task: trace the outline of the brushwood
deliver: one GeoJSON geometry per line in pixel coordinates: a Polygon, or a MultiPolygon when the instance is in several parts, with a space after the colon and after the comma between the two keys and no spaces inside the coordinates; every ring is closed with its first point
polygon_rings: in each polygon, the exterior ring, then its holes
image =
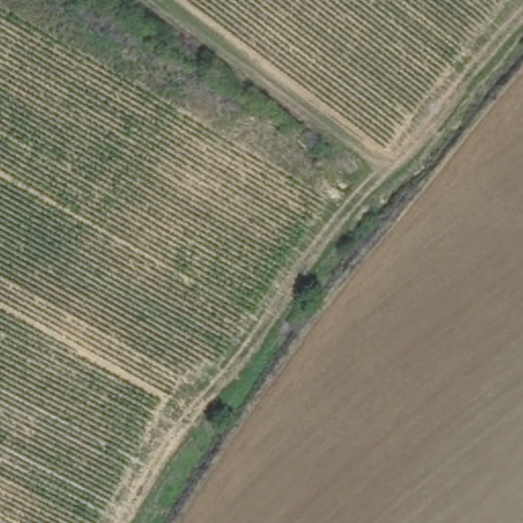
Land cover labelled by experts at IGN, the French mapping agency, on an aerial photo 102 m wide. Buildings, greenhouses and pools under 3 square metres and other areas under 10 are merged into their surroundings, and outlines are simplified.
{"type": "Polygon", "coordinates": [[[84,4],[86,10],[98,12],[114,20],[114,25],[125,29],[133,39],[153,43],[153,51],[157,57],[172,57],[176,61],[194,65],[192,72],[198,76],[198,82],[208,82],[215,92],[231,100],[237,100],[247,114],[257,116],[262,121],[274,121],[274,129],[288,135],[300,131],[308,147],[306,155],[319,161],[327,159],[329,147],[323,145],[327,137],[319,129],[306,127],[304,121],[294,116],[264,86],[255,84],[253,80],[237,78],[235,69],[215,53],[215,49],[200,45],[196,53],[186,51],[178,37],[178,31],[137,0],[63,0],[63,6],[84,4]]]}
{"type": "Polygon", "coordinates": [[[343,272],[349,270],[351,259],[360,253],[355,251],[355,245],[362,243],[362,239],[368,233],[378,231],[382,227],[382,225],[378,219],[364,217],[355,225],[349,221],[345,223],[341,235],[325,247],[325,251],[315,262],[311,272],[317,276],[319,282],[325,294],[335,286],[335,280],[343,272]]]}

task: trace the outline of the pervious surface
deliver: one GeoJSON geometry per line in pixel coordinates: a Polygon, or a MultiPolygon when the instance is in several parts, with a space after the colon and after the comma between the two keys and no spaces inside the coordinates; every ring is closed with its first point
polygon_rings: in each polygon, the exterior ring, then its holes
{"type": "Polygon", "coordinates": [[[139,437],[151,454],[145,466],[141,468],[139,478],[133,480],[125,501],[110,501],[102,509],[96,523],[131,523],[141,503],[147,498],[151,486],[155,484],[161,468],[176,451],[184,435],[196,427],[198,419],[204,415],[204,409],[221,394],[221,390],[239,378],[241,370],[259,351],[276,319],[284,315],[292,302],[294,290],[298,274],[311,272],[315,262],[325,251],[325,247],[341,235],[345,223],[349,221],[355,225],[364,217],[368,212],[366,198],[441,127],[443,118],[456,106],[458,98],[464,94],[468,82],[498,53],[498,49],[509,41],[509,37],[523,25],[523,0],[496,0],[486,10],[480,22],[466,29],[464,41],[456,41],[456,45],[460,47],[460,51],[456,53],[456,67],[445,65],[441,69],[441,74],[421,96],[421,100],[415,102],[415,106],[411,106],[411,110],[402,116],[398,125],[394,125],[390,141],[386,145],[378,145],[368,137],[362,143],[366,147],[362,157],[372,165],[370,174],[358,182],[351,194],[343,192],[339,194],[339,198],[333,200],[337,204],[335,212],[311,239],[306,249],[294,247],[290,255],[286,255],[286,268],[282,268],[276,274],[272,288],[262,296],[257,308],[253,313],[245,311],[241,315],[239,331],[233,331],[229,335],[229,341],[235,343],[237,349],[231,358],[215,355],[210,360],[210,366],[200,376],[202,382],[208,382],[206,388],[200,390],[190,402],[182,398],[178,402],[178,409],[170,409],[165,400],[157,400],[139,437]]]}

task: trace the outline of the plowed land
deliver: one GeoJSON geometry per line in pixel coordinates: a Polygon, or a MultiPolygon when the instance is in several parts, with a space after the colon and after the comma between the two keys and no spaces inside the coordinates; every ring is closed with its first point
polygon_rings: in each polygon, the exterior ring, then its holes
{"type": "Polygon", "coordinates": [[[180,515],[172,523],[523,523],[523,65],[496,92],[496,98],[480,110],[480,114],[460,137],[460,141],[447,151],[447,155],[433,170],[433,174],[425,182],[421,182],[415,196],[400,208],[396,219],[382,225],[382,227],[384,235],[366,253],[364,264],[355,270],[349,270],[343,272],[335,280],[335,286],[325,294],[323,308],[317,315],[313,315],[288,347],[286,355],[278,360],[274,372],[268,374],[255,396],[249,400],[243,415],[231,429],[219,454],[210,460],[208,470],[196,482],[192,494],[188,496],[188,501],[180,509],[180,515]]]}

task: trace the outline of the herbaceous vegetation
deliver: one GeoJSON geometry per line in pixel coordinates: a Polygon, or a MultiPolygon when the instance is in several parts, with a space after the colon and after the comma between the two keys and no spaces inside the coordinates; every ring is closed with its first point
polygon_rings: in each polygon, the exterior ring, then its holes
{"type": "Polygon", "coordinates": [[[69,49],[69,57],[76,57],[78,49],[84,49],[88,53],[94,53],[96,57],[108,59],[108,65],[118,78],[114,84],[118,88],[129,90],[133,86],[133,80],[145,80],[149,86],[147,94],[161,90],[161,96],[168,98],[178,98],[180,90],[184,88],[186,98],[182,106],[202,112],[202,116],[210,118],[210,123],[223,129],[233,127],[237,118],[247,114],[237,100],[231,100],[215,92],[208,82],[198,82],[198,76],[192,72],[194,65],[176,61],[172,57],[157,57],[153,51],[153,43],[133,39],[125,29],[114,25],[114,20],[98,12],[86,10],[84,4],[63,6],[63,0],[0,0],[0,8],[8,10],[6,20],[10,25],[27,33],[41,33],[45,45],[61,45],[63,49],[69,49]]]}
{"type": "Polygon", "coordinates": [[[151,486],[147,498],[141,503],[131,523],[172,523],[180,515],[180,509],[188,501],[188,496],[192,494],[196,482],[208,470],[210,460],[219,454],[231,429],[217,433],[210,419],[215,419],[215,415],[223,411],[225,402],[243,405],[245,398],[249,400],[255,396],[268,374],[274,372],[278,360],[286,355],[288,347],[313,315],[292,325],[286,321],[284,315],[276,319],[259,351],[241,370],[239,378],[221,390],[221,394],[204,409],[204,415],[198,419],[196,427],[184,435],[176,451],[161,468],[155,484],[151,486]]]}
{"type": "Polygon", "coordinates": [[[509,37],[509,41],[498,49],[498,53],[468,82],[464,94],[458,98],[456,106],[443,118],[441,127],[366,198],[368,212],[364,217],[378,219],[382,225],[396,219],[400,208],[415,196],[421,182],[425,182],[433,174],[433,170],[447,155],[447,151],[460,141],[460,137],[480,114],[480,110],[496,98],[496,92],[523,65],[523,25],[509,37]]]}
{"type": "Polygon", "coordinates": [[[368,233],[362,239],[362,243],[355,245],[355,251],[360,253],[351,259],[349,270],[355,270],[364,264],[366,253],[384,235],[382,227],[378,231],[368,233]]]}
{"type": "Polygon", "coordinates": [[[215,53],[235,69],[237,78],[253,80],[255,84],[264,86],[294,116],[304,121],[306,127],[319,129],[327,137],[323,145],[329,147],[327,159],[319,161],[306,155],[308,147],[300,131],[288,135],[274,129],[259,131],[257,141],[251,145],[251,149],[259,149],[262,153],[270,155],[270,159],[274,159],[280,168],[284,168],[288,172],[286,180],[296,176],[304,176],[304,184],[319,184],[323,180],[333,184],[337,180],[343,180],[343,192],[351,194],[358,182],[370,174],[372,165],[362,157],[366,147],[362,143],[345,129],[341,129],[333,118],[325,116],[313,104],[302,100],[298,94],[288,90],[259,65],[255,65],[245,53],[235,49],[219,33],[208,29],[204,22],[200,22],[174,0],[137,0],[178,31],[178,37],[186,51],[196,53],[200,45],[215,49],[215,53]]]}
{"type": "Polygon", "coordinates": [[[302,294],[308,286],[315,286],[319,282],[317,276],[311,272],[298,274],[294,290],[296,294],[302,294]]]}

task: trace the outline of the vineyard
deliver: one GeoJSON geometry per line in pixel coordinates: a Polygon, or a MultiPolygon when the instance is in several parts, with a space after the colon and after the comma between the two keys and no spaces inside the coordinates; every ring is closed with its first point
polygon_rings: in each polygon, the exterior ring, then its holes
{"type": "Polygon", "coordinates": [[[480,22],[486,10],[496,0],[174,0],[200,22],[204,22],[208,29],[219,33],[235,49],[245,53],[255,65],[259,65],[288,90],[298,94],[302,100],[313,104],[325,116],[333,118],[341,129],[345,129],[362,143],[368,137],[378,145],[386,145],[390,141],[394,125],[398,125],[402,116],[411,110],[411,106],[415,106],[415,102],[421,100],[421,96],[441,74],[441,69],[445,65],[456,67],[456,53],[460,51],[460,47],[456,45],[456,41],[464,41],[466,29],[480,22]]]}
{"type": "Polygon", "coordinates": [[[296,176],[286,180],[288,172],[284,168],[280,168],[274,159],[270,159],[270,155],[262,153],[259,149],[251,149],[251,145],[257,141],[259,131],[274,129],[274,121],[262,121],[257,116],[247,114],[237,118],[233,127],[223,129],[210,123],[210,118],[202,116],[202,112],[182,106],[186,98],[184,88],[180,90],[178,98],[168,98],[161,96],[161,90],[147,94],[149,86],[145,80],[133,80],[133,86],[129,90],[118,88],[114,84],[118,78],[108,65],[108,59],[96,57],[94,53],[88,53],[84,49],[78,49],[76,57],[69,57],[69,49],[63,49],[61,45],[45,45],[41,33],[27,33],[10,25],[6,20],[8,10],[0,8],[0,523],[96,523],[102,509],[110,501],[125,501],[133,480],[139,478],[141,468],[145,466],[151,454],[139,437],[157,400],[165,400],[170,409],[178,409],[178,402],[182,398],[190,402],[200,390],[206,388],[208,382],[202,382],[200,376],[210,366],[210,360],[215,355],[231,358],[237,349],[235,343],[229,341],[229,335],[233,331],[239,331],[241,315],[245,311],[253,313],[257,308],[262,296],[272,288],[276,274],[282,268],[286,268],[286,255],[290,255],[294,247],[306,249],[311,239],[335,212],[337,204],[333,200],[339,198],[339,194],[343,192],[343,180],[337,180],[333,184],[323,180],[319,184],[304,184],[304,176],[296,176]]]}

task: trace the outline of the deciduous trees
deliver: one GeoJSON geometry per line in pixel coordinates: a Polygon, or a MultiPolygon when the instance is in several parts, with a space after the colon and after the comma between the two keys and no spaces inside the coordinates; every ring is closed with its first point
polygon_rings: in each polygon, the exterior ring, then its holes
{"type": "Polygon", "coordinates": [[[217,433],[231,429],[243,415],[249,400],[245,398],[243,405],[225,402],[223,411],[215,415],[215,419],[210,419],[217,433]]]}
{"type": "Polygon", "coordinates": [[[286,321],[292,325],[313,315],[317,315],[323,308],[325,294],[319,282],[315,286],[308,286],[302,294],[296,294],[294,290],[292,302],[284,315],[286,321]]]}

